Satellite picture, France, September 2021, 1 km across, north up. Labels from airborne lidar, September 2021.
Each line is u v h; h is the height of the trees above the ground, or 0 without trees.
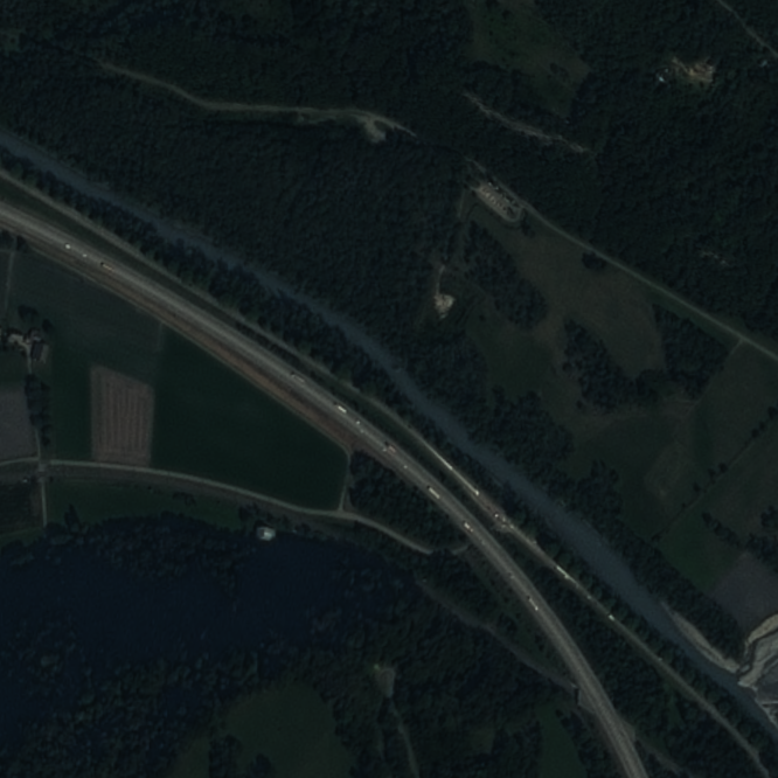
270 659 25
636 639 21
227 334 0
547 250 0
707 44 17
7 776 25
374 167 20
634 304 0
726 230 23
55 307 0
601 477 6
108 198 0
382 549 8
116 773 20
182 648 31
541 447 15
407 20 30
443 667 23
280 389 0
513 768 24
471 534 0
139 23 16
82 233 0
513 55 8
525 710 23
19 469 0
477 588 25
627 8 16
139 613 20
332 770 0
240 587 28
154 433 0
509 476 0
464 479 0
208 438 0
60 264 0
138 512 0
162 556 24
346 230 12
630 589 0
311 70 22
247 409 0
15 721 37
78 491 0
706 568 0
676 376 21
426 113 25
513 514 19
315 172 14
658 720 8
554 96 0
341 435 0
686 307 0
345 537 0
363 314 10
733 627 17
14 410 0
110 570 26
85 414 0
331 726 0
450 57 18
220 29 18
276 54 20
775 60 6
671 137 29
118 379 0
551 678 0
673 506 0
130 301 0
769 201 21
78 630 34
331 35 19
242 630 17
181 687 33
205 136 13
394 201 15
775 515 13
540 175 22
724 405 0
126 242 11
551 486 15
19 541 0
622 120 29
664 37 15
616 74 13
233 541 10
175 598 26
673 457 0
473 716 22
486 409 11
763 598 0
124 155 11
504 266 12
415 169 22
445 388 19
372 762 19
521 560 8
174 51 27
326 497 0
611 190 30
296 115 8
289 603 8
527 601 0
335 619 34
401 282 15
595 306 0
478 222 0
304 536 11
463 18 19
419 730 33
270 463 0
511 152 19
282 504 0
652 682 15
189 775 0
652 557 13
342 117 0
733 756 19
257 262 12
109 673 26
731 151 20
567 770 0
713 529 14
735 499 0
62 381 0
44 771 24
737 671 0
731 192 24
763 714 0
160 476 0
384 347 6
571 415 0
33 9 22
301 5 12
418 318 8
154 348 0
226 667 35
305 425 0
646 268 29
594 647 13
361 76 29
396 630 29
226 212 12
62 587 29
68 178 0
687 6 20
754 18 13
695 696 27
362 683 21
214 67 25
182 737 26
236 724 0
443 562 12
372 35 27
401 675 23
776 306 23
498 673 29
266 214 9
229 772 27
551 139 42
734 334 0
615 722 0
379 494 19
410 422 11
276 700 0
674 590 19
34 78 18
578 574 24
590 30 11
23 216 0
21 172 20
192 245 0
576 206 23
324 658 31
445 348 12
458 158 20
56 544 22
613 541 17
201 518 0
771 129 15
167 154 10
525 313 8
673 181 33
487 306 0
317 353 7
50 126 18
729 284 23
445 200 12
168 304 0
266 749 0
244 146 14
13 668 29
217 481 0
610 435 0
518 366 0
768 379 0
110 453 0
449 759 10
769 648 0
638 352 0
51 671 29
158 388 0
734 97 25
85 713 25
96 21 24
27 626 36
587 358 13
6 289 0
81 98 22
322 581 24
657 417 0
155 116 16
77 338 0
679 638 0
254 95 23
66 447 0
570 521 0
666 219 29
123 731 24
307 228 12
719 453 0
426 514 14
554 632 0
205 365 0
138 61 22
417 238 11
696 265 24
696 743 18
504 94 32
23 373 0
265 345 11
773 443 0
